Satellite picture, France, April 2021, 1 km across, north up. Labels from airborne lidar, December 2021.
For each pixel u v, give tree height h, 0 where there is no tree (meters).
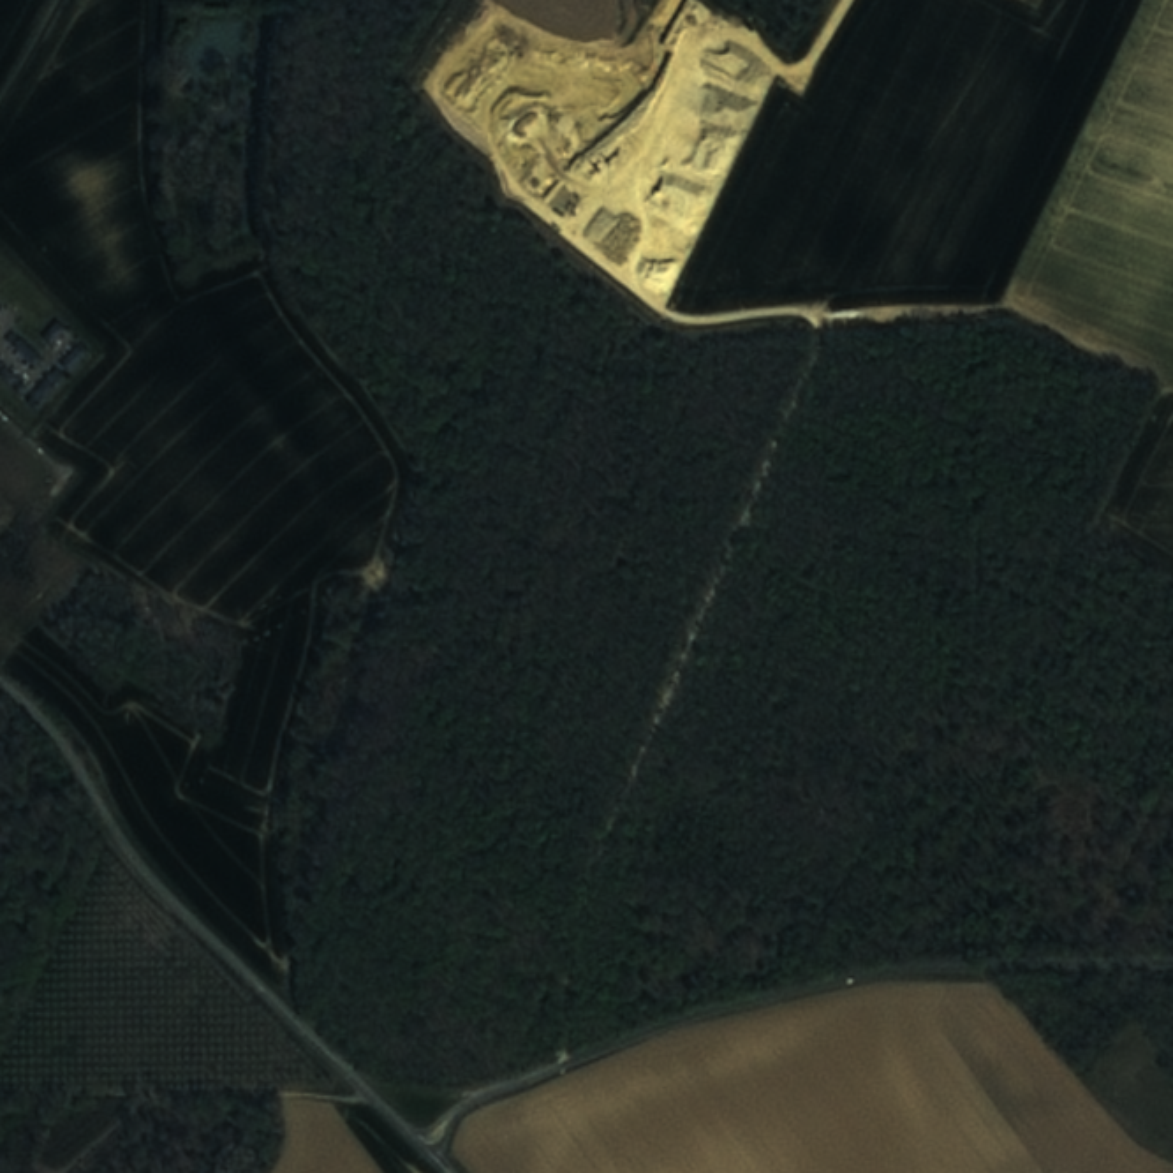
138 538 0
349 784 24
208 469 0
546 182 0
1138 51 0
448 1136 0
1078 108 0
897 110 0
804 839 23
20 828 29
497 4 0
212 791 0
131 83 0
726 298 0
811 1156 0
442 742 19
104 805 0
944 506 24
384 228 22
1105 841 24
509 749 15
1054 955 20
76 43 0
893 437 25
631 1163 0
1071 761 20
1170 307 0
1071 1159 0
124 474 0
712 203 0
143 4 0
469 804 17
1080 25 0
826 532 20
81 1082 15
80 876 26
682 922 22
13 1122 24
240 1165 24
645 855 16
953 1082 0
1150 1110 0
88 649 22
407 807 22
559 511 15
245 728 0
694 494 15
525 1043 20
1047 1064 0
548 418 19
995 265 0
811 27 11
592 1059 0
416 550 15
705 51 0
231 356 0
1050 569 18
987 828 27
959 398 15
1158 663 19
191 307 0
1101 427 19
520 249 19
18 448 0
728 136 0
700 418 17
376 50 23
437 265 21
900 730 18
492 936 22
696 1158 0
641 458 16
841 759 15
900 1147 0
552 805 17
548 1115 0
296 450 0
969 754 20
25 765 21
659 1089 0
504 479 22
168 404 0
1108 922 24
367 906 20
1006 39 0
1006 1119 0
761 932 19
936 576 20
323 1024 15
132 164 0
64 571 0
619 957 22
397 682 23
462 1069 18
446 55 0
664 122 0
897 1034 0
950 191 0
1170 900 20
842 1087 0
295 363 0
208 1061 22
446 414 24
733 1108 0
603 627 17
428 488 22
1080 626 17
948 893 29
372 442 0
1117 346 0
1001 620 19
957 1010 0
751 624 17
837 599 16
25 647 0
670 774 22
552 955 24
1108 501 18
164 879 0
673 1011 20
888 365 23
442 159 17
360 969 20
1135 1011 17
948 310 0
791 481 18
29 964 25
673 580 16
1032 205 0
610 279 0
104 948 20
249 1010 23
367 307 24
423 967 22
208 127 23
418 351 17
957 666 15
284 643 0
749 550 18
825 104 0
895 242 0
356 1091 0
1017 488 22
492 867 22
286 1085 20
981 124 0
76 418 0
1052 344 16
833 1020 0
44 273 0
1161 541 0
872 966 17
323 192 19
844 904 22
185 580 0
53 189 0
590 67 0
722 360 17
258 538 0
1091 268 0
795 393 16
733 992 20
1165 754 19
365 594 16
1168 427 0
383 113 18
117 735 0
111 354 0
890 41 0
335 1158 0
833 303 0
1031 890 20
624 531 18
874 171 0
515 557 19
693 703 16
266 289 0
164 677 23
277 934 0
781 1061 0
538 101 0
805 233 0
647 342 11
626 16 0
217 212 23
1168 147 0
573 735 19
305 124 28
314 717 23
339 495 0
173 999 23
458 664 19
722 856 6
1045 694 16
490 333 25
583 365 7
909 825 19
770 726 18
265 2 7
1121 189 0
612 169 0
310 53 29
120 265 0
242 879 0
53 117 0
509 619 19
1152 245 0
